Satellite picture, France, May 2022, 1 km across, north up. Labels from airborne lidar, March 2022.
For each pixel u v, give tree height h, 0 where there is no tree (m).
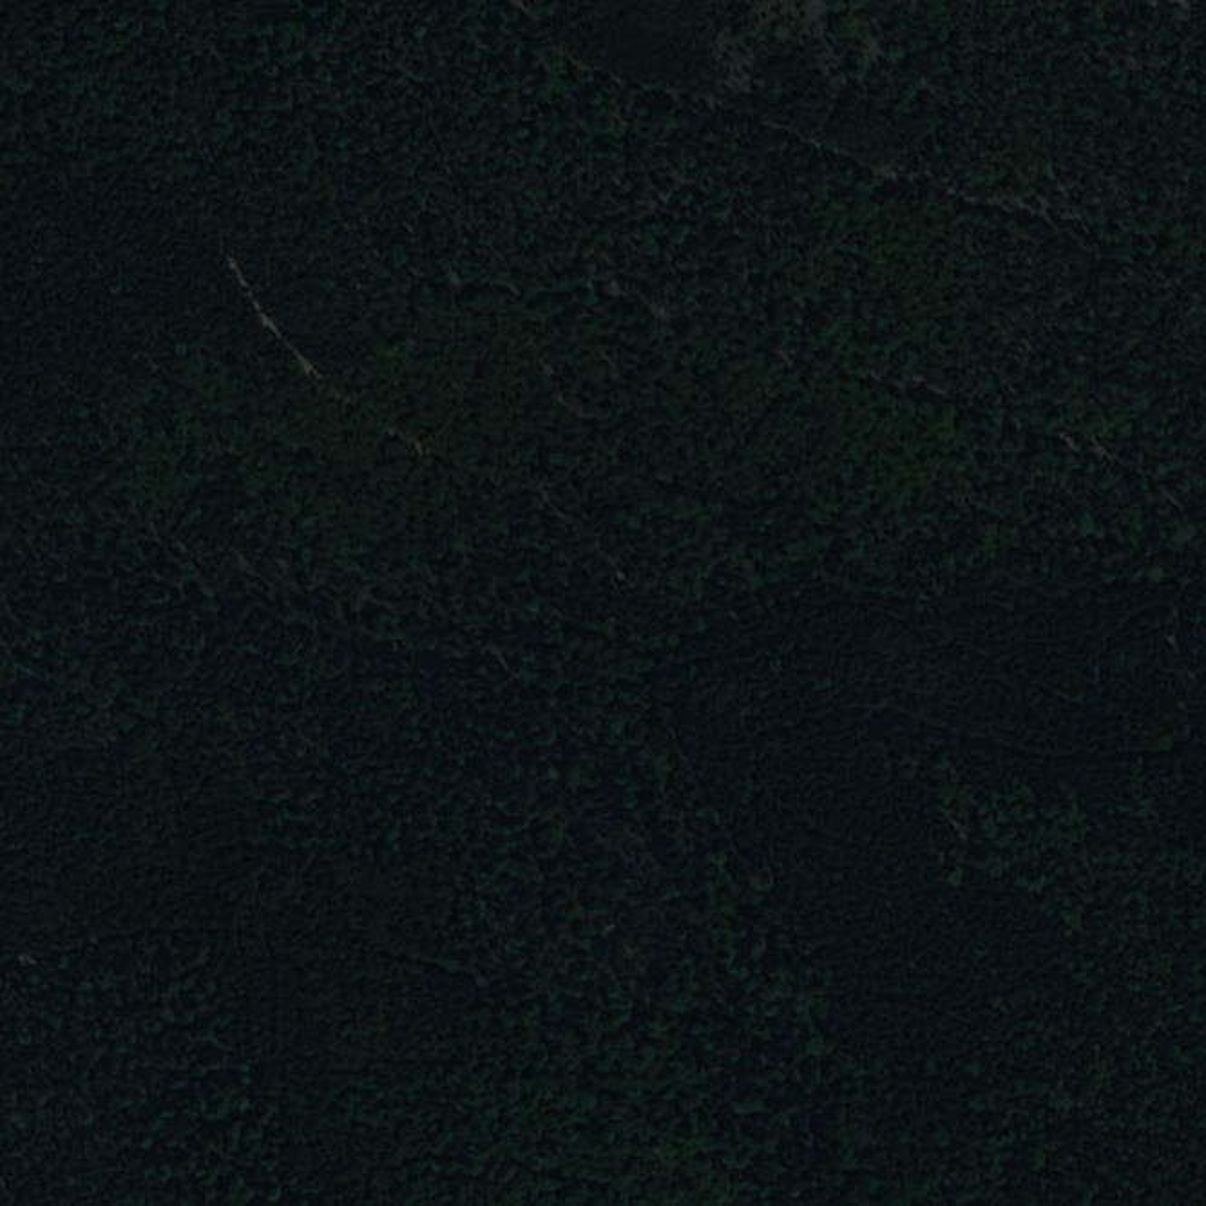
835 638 24
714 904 25
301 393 22
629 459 27
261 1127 15
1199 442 30
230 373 17
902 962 23
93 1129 27
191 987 30
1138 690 22
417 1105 24
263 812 25
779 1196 35
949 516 24
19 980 11
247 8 24
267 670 31
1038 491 29
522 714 33
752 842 30
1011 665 27
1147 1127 20
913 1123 27
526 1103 29
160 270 21
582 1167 30
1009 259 21
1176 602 23
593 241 29
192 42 27
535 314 26
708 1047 35
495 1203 28
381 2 31
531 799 34
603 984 37
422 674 27
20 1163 23
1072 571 32
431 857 28
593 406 29
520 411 23
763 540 31
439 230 29
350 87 32
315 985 23
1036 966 27
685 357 27
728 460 27
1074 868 29
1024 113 25
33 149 24
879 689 25
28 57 26
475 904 24
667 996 35
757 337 24
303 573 25
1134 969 24
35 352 21
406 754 25
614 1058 35
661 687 32
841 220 27
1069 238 24
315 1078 22
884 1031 27
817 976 24
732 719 16
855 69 18
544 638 23
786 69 16
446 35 27
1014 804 29
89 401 22
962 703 29
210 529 26
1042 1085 25
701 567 28
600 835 38
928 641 28
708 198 28
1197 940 28
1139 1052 22
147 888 18
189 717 25
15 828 15
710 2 9
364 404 23
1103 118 23
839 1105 24
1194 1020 23
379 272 22
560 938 33
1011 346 27
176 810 21
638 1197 29
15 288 28
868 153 22
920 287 28
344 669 20
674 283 25
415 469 26
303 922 21
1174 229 28
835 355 26
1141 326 29
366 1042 22
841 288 24
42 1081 30
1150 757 25
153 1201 23
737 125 29
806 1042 32
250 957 21
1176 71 17
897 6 19
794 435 28
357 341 24
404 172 26
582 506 27
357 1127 21
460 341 21
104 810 23
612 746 30
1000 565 31
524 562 31
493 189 25
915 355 28
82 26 25
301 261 25
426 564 22
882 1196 21
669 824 24
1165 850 28
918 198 25
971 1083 30
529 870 32
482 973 29
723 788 23
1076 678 19
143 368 22
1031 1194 25
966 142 28
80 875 19
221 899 20
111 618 26
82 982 22
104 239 23
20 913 18
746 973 34
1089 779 24
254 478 24
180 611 28
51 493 32
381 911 23
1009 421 11
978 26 18
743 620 31
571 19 15
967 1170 31
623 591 28
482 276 24
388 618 19
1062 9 8
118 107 27
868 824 24
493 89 28
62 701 33
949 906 22
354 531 23
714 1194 32
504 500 29
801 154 23
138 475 27
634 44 16
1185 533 29
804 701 28
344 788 26
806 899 19
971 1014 19
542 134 31
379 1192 23
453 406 25
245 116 10
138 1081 27
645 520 24
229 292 21
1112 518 33
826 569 33
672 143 26
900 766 28
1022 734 31
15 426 20
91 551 29
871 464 24
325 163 27
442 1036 26
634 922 30
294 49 32
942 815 21
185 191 22
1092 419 32
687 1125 37
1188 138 20
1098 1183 26
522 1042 28
